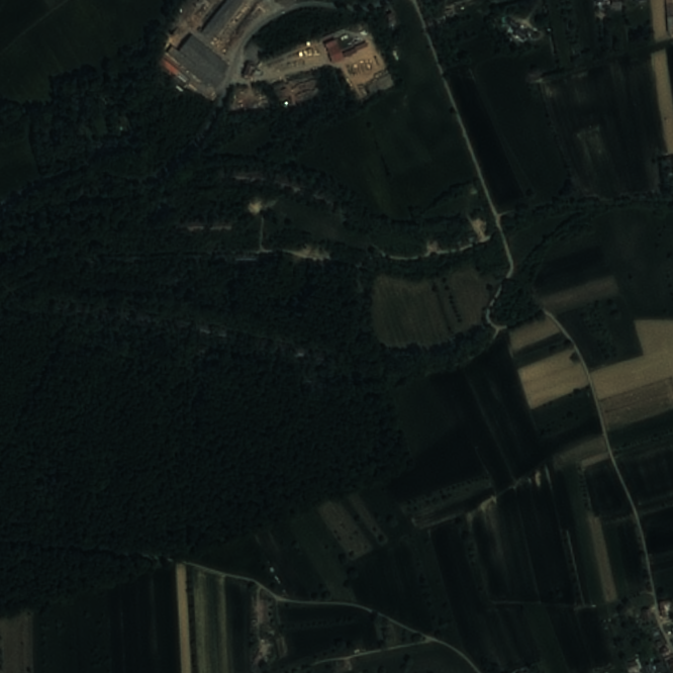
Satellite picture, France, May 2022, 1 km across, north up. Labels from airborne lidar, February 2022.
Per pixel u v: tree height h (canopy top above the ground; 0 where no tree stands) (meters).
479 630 0
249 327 17
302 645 0
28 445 25
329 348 20
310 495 30
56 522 27
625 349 0
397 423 19
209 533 30
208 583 0
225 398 27
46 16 0
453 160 0
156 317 12
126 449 27
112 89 19
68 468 30
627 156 0
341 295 32
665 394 0
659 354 0
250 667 0
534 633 0
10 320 22
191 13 0
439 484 0
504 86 0
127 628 0
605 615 0
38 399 26
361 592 0
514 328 12
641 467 0
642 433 0
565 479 0
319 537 0
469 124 0
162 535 19
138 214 19
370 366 20
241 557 0
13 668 0
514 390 0
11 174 0
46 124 25
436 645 0
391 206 0
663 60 0
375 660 0
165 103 7
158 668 0
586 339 0
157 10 0
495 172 0
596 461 0
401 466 22
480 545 0
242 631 0
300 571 0
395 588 0
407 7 0
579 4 0
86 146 23
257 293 28
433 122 0
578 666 0
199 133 0
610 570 0
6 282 21
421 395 0
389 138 0
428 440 0
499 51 12
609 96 0
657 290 0
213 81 0
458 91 0
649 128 0
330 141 0
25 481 28
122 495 28
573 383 0
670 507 0
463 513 0
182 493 25
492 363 0
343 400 28
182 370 26
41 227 29
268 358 19
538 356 0
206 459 30
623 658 11
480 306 0
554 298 0
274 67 0
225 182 17
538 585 0
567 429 0
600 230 0
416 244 0
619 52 13
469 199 0
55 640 0
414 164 0
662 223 0
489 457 0
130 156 27
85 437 28
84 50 0
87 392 22
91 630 0
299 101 0
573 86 0
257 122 12
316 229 0
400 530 0
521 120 0
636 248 0
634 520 0
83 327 22
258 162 13
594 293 0
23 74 0
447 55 13
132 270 12
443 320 0
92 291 17
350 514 0
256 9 0
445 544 0
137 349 15
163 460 22
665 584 0
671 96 0
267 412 30
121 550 28
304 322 31
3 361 18
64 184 16
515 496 0
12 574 29
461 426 0
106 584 26
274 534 0
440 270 16
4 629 0
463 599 0
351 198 15
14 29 0
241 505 34
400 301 0
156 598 0
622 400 0
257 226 0
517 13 7
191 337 18
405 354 11
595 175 0
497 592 0
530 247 0
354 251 6
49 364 15
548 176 0
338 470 31
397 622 0
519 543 0
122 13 0
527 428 0
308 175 14
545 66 0
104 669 0
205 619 0
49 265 26
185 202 10
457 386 0
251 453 29
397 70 8
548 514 0
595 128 0
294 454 30
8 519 24
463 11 0
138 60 21
